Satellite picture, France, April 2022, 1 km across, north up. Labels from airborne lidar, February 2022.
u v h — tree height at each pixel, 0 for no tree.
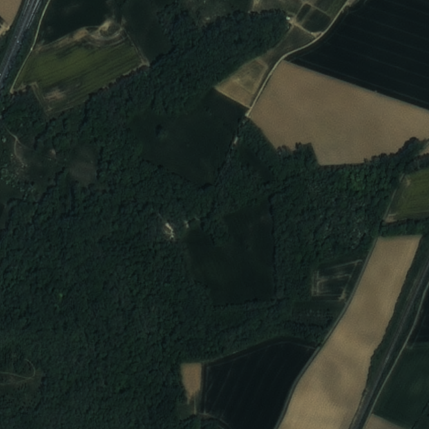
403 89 0
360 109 0
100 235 19
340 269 0
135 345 24
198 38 23
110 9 0
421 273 0
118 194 24
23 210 26
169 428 21
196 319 30
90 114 24
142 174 22
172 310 24
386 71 0
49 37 0
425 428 0
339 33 0
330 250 7
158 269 25
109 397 24
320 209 14
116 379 25
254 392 0
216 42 29
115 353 19
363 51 0
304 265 15
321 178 7
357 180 15
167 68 26
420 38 0
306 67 0
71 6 0
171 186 26
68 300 29
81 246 25
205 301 16
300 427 0
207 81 23
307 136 0
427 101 0
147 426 23
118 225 9
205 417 0
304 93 0
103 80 0
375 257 0
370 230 10
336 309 0
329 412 0
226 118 0
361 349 0
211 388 0
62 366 23
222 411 0
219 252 0
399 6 0
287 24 23
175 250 22
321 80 0
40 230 29
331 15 0
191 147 0
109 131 18
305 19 0
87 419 22
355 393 0
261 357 0
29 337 20
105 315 33
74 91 0
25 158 0
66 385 23
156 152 0
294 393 0
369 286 0
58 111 0
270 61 0
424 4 0
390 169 8
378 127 0
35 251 29
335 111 0
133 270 24
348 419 0
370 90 0
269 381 0
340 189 16
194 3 0
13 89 0
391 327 6
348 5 0
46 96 0
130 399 23
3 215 0
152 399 20
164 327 23
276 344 0
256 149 17
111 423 23
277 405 0
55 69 0
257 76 0
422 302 0
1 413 20
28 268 24
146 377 23
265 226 0
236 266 0
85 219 26
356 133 0
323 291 0
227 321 6
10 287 26
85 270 26
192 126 0
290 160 21
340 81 0
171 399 29
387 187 15
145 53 0
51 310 27
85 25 0
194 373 0
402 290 6
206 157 0
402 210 0
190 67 22
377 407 0
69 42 0
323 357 0
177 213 27
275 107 0
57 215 26
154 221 20
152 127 0
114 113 22
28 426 26
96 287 28
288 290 19
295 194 28
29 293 19
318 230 6
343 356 0
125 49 0
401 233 10
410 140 0
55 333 24
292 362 0
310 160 16
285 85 0
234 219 0
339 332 0
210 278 0
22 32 0
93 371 21
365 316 0
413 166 28
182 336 28
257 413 0
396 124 0
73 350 19
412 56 0
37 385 0
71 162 0
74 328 29
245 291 0
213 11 0
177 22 19
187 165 0
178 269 20
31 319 25
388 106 0
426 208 0
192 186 20
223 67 23
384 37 0
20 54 12
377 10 0
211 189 22
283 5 0
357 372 0
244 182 26
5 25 0
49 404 20
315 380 0
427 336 0
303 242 17
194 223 20
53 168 0
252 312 18
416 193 0
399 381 0
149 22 0
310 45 0
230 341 21
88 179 0
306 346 0
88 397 20
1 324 15
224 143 0
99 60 0
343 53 0
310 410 0
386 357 0
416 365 0
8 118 24
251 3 0
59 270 11
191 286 20
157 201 31
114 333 28
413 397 0
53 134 16
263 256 0
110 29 0
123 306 27
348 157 0
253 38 28
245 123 11
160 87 22
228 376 0
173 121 0
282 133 0
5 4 0
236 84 0
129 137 25
